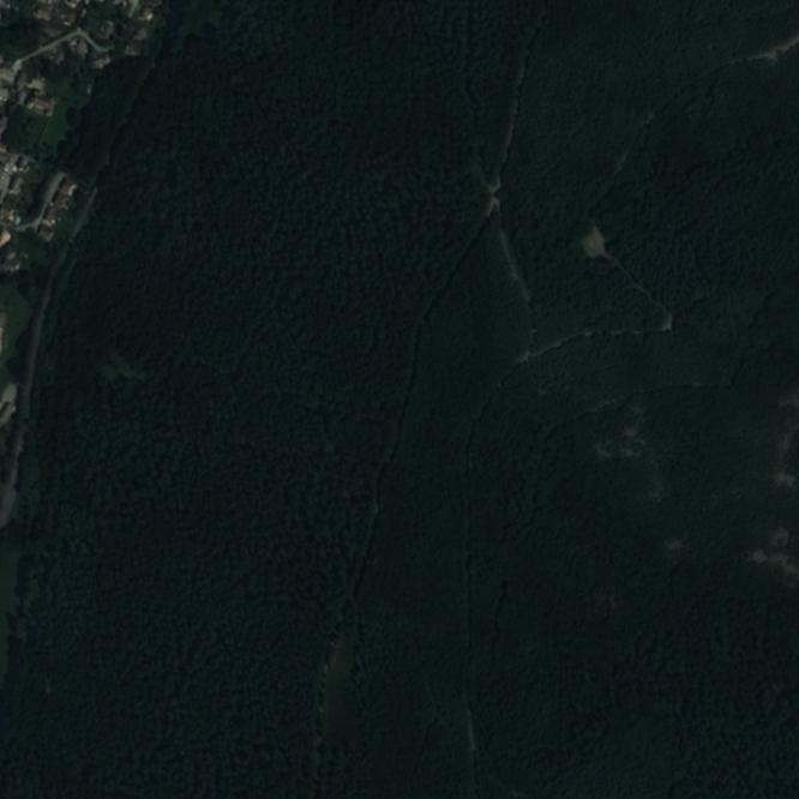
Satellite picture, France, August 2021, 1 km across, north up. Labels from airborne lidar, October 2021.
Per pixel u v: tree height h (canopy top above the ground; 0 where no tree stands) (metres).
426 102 24
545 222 18
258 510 30
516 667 21
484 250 23
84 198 11
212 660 29
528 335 17
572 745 10
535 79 17
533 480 31
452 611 16
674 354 14
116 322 14
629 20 18
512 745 17
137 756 26
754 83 14
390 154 30
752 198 33
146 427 28
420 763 12
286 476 31
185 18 34
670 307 15
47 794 28
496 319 29
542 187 16
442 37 25
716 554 16
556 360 12
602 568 27
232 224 16
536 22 22
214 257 30
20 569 0
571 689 25
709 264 29
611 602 24
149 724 30
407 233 10
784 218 26
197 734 30
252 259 23
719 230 34
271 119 29
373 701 17
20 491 15
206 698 26
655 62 12
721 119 23
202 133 12
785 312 21
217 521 30
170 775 27
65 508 28
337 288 24
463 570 12
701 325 13
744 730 19
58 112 0
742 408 12
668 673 30
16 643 14
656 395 14
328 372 33
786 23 9
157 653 21
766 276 8
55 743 30
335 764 12
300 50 19
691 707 27
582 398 8
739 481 9
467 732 12
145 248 18
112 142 18
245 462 29
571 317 17
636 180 9
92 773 28
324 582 6
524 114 16
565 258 14
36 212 14
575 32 16
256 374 28
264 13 25
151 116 25
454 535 19
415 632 15
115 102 22
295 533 31
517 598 33
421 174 32
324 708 18
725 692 25
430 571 20
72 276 12
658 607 23
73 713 31
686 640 32
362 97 26
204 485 25
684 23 13
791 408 8
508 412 18
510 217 16
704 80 10
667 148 17
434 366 18
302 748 26
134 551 27
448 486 21
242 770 31
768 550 7
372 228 37
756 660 10
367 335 23
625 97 10
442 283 28
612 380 14
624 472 12
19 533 9
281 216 15
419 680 15
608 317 16
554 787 15
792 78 13
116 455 41
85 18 6
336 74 23
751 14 25
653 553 20
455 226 30
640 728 20
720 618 29
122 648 26
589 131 9
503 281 27
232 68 30
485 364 17
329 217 27
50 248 9
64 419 24
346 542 31
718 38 13
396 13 29
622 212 26
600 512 19
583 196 19
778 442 6
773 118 17
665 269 26
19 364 6
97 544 12
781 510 9
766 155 39
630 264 29
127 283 19
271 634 34
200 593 36
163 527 32
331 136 24
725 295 15
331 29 22
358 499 29
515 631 31
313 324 25
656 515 12
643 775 17
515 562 33
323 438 31
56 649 26
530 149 13
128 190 20
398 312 25
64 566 27
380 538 16
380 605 26
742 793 25
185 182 30
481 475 19
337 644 22
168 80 21
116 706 29
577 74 14
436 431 20
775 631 28
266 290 28
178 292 19
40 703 23
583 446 15
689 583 26
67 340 20
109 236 15
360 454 32
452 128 22
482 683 16
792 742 28
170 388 21
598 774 18
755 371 23
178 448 41
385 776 12
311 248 29
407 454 16
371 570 26
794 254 27
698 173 35
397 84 23
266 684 23
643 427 8
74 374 24
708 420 16
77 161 24
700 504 10
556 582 29
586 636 28
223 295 25
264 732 29
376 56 26
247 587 28
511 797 12
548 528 25
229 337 29
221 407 30
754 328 13
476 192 28
